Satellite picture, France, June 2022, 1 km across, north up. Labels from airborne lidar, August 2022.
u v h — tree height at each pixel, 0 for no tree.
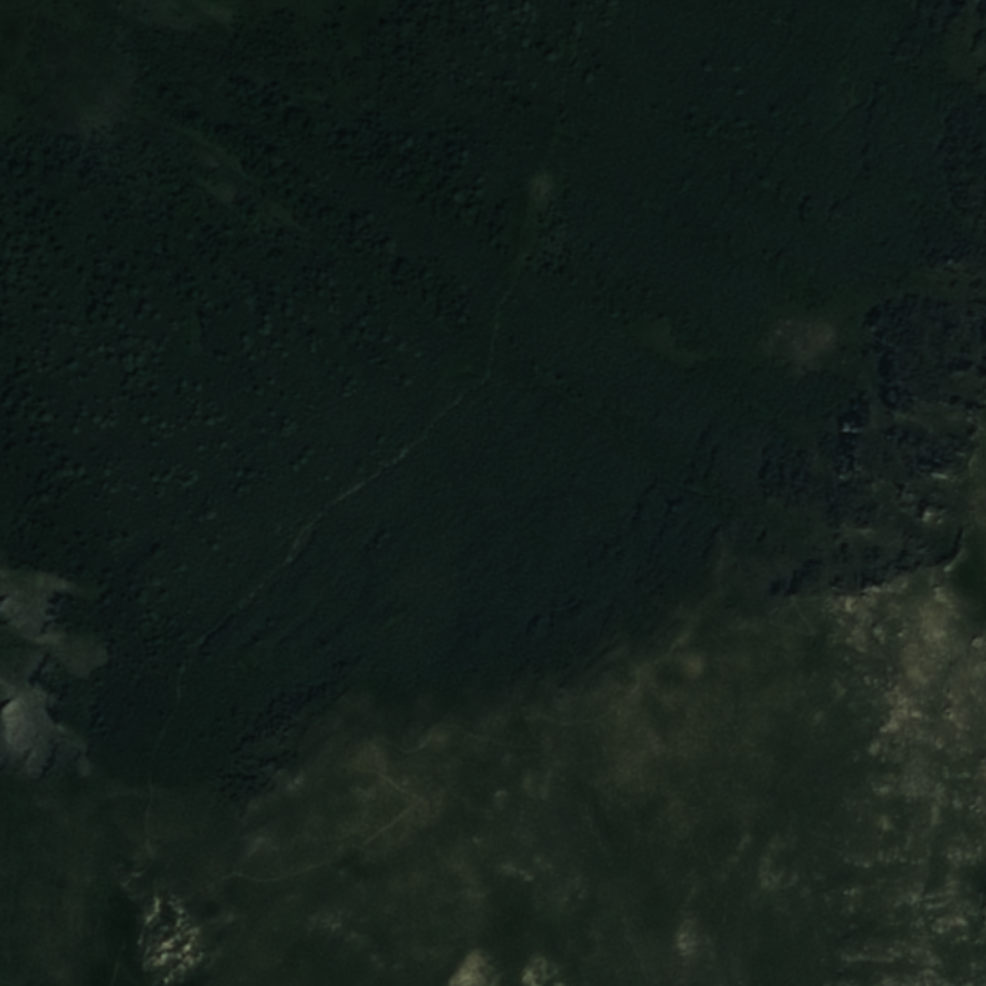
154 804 0
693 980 0
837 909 0
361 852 0
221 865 0
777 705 0
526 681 0
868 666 0
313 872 0
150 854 0
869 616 0
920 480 0
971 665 0
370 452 5
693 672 0
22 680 0
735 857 0
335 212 11
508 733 0
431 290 9
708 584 0
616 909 0
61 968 0
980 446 0
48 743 0
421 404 6
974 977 0
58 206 10
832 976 0
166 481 5
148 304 9
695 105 7
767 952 0
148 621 6
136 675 7
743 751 0
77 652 0
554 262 6
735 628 0
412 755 0
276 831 0
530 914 0
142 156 6
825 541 0
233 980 0
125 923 0
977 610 0
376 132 10
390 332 6
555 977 0
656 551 6
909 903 0
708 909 0
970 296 0
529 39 7
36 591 0
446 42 6
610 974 0
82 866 0
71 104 0
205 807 0
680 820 0
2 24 0
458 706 0
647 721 0
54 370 8
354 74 6
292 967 0
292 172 11
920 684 0
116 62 0
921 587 0
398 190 6
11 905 0
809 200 10
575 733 0
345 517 7
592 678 0
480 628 6
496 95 6
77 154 8
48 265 10
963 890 0
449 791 0
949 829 0
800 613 0
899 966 0
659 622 0
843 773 0
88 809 0
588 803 0
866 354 7
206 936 0
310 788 0
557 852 0
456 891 0
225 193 0
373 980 0
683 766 0
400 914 0
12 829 0
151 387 8
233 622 8
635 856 0
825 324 0
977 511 0
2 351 0
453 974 0
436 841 0
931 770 0
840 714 0
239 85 11
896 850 0
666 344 0
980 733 0
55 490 8
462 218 12
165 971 0
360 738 0
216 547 7
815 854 0
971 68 0
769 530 0
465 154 8
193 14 0
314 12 0
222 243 14
